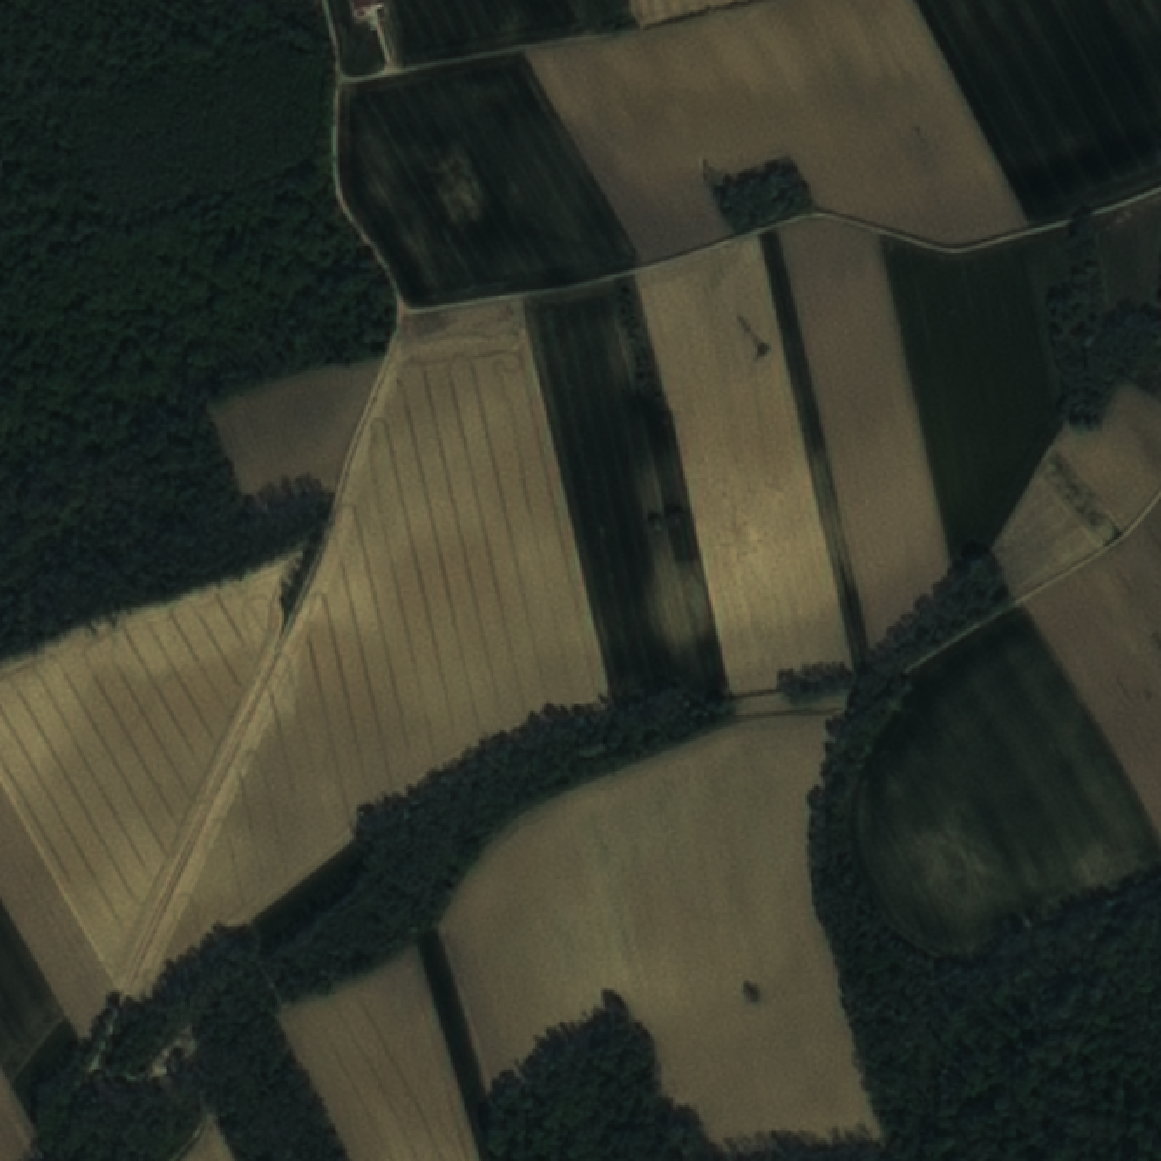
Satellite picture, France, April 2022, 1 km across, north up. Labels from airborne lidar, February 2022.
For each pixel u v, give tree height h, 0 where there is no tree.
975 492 0
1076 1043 25
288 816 0
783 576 0
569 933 0
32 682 0
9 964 0
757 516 0
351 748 0
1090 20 0
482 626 0
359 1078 0
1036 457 0
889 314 0
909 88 0
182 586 20
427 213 0
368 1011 0
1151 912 28
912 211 0
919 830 0
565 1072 28
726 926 0
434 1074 0
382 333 21
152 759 0
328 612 0
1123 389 0
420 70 0
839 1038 0
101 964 0
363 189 0
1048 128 0
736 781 0
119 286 25
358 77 0
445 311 0
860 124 0
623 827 0
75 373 22
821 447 0
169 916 0
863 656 0
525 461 0
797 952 0
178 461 25
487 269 0
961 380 0
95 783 0
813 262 0
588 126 0
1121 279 0
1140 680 0
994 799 0
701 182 0
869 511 0
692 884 0
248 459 0
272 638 0
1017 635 0
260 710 0
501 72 0
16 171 26
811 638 0
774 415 0
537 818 0
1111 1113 31
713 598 0
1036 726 0
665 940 0
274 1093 25
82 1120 33
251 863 0
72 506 29
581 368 0
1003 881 0
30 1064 0
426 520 0
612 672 0
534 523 0
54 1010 0
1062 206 0
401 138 0
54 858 0
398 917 19
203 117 14
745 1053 0
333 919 15
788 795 0
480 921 0
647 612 0
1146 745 0
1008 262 0
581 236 0
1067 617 0
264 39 19
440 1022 0
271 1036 23
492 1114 16
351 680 0
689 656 0
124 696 0
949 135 0
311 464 0
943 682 0
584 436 0
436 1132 0
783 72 0
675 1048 0
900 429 0
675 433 0
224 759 0
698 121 0
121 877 0
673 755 0
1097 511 0
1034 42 0
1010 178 0
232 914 0
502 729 0
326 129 17
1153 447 0
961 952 0
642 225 0
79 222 18
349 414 0
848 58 0
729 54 0
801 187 15
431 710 0
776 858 0
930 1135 29
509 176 0
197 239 22
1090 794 0
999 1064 22
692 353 0
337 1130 18
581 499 0
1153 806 0
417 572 0
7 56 15
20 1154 0
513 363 0
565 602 0
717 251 0
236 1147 15
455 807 22
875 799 0
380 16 0
